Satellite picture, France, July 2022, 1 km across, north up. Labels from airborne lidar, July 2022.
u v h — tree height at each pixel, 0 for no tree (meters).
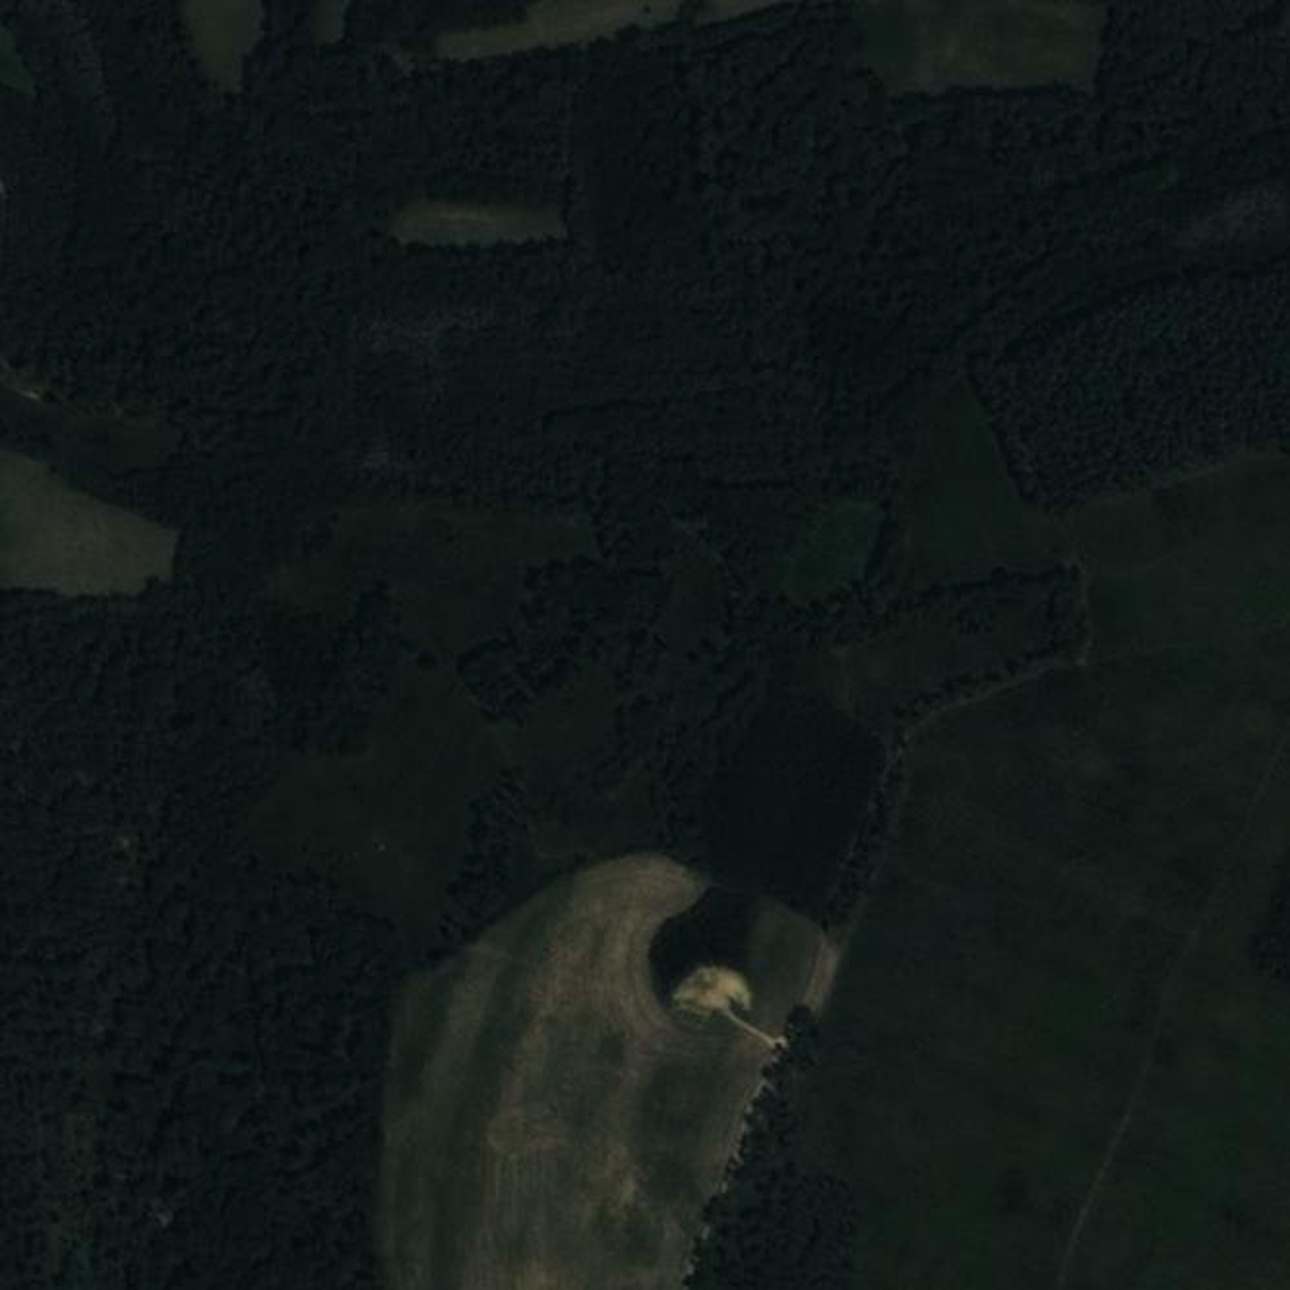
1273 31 29
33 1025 20
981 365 31
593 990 0
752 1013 0
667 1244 0
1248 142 10
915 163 29
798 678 7
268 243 24
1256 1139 0
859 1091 0
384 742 0
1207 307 33
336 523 20
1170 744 0
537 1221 0
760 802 10
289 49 12
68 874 16
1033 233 23
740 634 22
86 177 22
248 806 21
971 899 0
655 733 14
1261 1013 0
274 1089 23
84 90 15
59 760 17
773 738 9
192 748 30
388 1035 19
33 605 13
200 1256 24
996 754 0
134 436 0
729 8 0
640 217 8
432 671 23
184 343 14
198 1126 23
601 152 9
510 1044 0
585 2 0
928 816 0
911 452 28
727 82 33
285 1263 24
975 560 0
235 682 20
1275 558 0
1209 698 0
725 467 15
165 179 26
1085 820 0
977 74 0
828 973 0
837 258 23
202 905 24
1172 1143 0
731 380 12
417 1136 0
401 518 0
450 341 10
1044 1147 0
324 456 24
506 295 22
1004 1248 0
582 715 0
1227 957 0
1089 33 0
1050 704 7
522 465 18
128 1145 21
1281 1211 0
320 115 18
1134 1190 0
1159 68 27
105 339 13
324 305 21
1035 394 33
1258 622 0
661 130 8
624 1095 0
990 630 12
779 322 24
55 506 0
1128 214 12
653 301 7
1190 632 0
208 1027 25
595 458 17
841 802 9
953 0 0
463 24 24
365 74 23
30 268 9
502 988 0
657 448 10
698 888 0
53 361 24
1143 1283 0
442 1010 0
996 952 0
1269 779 0
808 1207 17
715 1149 0
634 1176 0
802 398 24
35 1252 20
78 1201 25
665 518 24
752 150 26
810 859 8
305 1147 24
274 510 24
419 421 12
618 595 19
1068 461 35
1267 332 32
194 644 19
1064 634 18
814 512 20
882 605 23
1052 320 10
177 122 25
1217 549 0
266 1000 20
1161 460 31
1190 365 31
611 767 11
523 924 0
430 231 0
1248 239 11
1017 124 27
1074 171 23
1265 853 0
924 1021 0
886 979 0
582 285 16
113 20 26
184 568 16
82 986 21
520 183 12
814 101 26
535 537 0
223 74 0
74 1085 24
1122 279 11
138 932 23
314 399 24
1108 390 36
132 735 21
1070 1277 0
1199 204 15
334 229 26
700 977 0
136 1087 30
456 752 0
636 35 20
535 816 19
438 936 0
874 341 24
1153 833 0
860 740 10
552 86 29
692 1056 0
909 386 25
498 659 22
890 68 0
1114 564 0
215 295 24
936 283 15
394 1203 0
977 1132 0
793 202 32
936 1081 0
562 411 7
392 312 14
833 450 27
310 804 0
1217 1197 0
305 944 28
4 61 0
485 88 17
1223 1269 0
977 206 8
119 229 21
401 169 23
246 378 6
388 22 25
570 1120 0
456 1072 0
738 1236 15
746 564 22
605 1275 0
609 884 0
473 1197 0
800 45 16
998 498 0
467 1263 0
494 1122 0
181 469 12
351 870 0
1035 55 0
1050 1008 0
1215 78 29
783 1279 18
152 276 15
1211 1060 0
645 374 8
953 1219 0
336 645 6
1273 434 29
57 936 21
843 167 28
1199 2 30
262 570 25
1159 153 5
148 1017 20
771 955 0
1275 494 0
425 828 0
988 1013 0
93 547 0
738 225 23
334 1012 23
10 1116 19
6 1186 17
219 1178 24
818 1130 0
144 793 17
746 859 10
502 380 13
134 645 17
